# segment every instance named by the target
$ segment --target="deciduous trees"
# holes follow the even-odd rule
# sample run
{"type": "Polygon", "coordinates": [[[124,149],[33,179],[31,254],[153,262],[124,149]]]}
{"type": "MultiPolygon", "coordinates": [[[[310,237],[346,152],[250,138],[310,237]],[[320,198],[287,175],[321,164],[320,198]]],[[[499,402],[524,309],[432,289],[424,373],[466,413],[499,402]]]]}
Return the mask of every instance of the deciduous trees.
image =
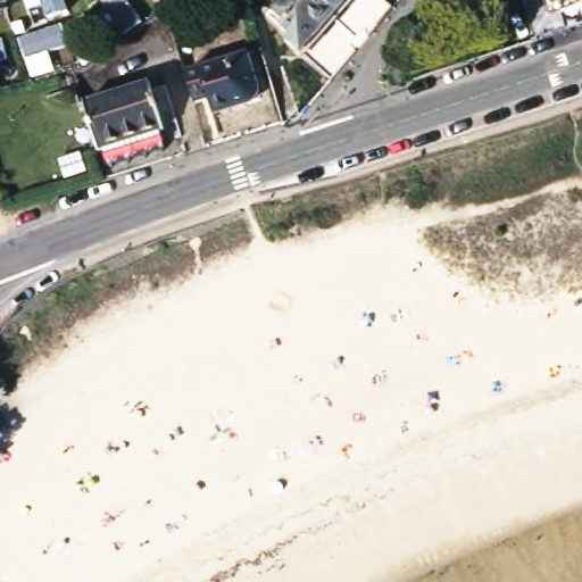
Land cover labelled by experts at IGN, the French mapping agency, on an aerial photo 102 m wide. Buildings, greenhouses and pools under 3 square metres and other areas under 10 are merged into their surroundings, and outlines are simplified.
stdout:
{"type": "Polygon", "coordinates": [[[171,0],[171,5],[166,7],[166,23],[175,27],[177,48],[198,48],[207,41],[214,41],[223,32],[234,30],[239,20],[243,20],[255,20],[255,16],[259,16],[261,11],[255,9],[252,0],[171,0]]]}
{"type": "Polygon", "coordinates": [[[502,0],[411,0],[411,14],[393,23],[386,34],[386,41],[382,45],[384,64],[398,68],[400,73],[414,73],[418,64],[425,66],[427,73],[514,43],[514,16],[505,11],[502,0]]]}
{"type": "Polygon", "coordinates": [[[84,16],[68,16],[64,16],[61,25],[64,45],[70,50],[75,59],[89,59],[95,64],[111,59],[118,48],[107,43],[111,30],[91,9],[84,11],[84,16]]]}

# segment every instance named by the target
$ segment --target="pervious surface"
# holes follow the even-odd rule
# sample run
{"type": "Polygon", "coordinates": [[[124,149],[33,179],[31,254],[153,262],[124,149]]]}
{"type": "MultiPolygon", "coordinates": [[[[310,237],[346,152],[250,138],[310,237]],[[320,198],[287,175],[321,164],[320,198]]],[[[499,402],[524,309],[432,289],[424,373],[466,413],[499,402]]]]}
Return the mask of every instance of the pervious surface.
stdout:
{"type": "Polygon", "coordinates": [[[193,59],[202,59],[207,52],[221,45],[243,41],[243,20],[239,20],[234,30],[223,32],[214,41],[207,41],[198,48],[177,48],[175,27],[166,23],[166,7],[171,5],[171,0],[152,0],[150,7],[152,14],[141,16],[141,25],[148,25],[148,36],[143,36],[136,43],[118,48],[111,59],[95,64],[89,59],[75,59],[70,50],[64,45],[61,50],[50,52],[52,73],[80,73],[77,82],[70,84],[70,93],[80,98],[91,93],[91,89],[111,89],[118,84],[130,84],[134,80],[150,80],[152,89],[189,82],[186,73],[193,59]]]}
{"type": "Polygon", "coordinates": [[[109,302],[111,298],[136,291],[141,282],[148,282],[157,291],[159,286],[168,286],[175,277],[202,275],[211,257],[232,255],[234,250],[246,248],[252,241],[248,223],[243,221],[243,209],[239,209],[236,214],[196,223],[155,241],[127,246],[123,252],[116,252],[98,261],[95,266],[86,266],[86,261],[80,261],[75,271],[61,271],[57,273],[57,280],[45,282],[43,291],[52,291],[70,273],[93,273],[95,286],[91,300],[77,305],[73,311],[64,311],[59,307],[50,314],[48,323],[52,330],[52,341],[48,336],[36,336],[27,327],[34,321],[34,314],[43,309],[43,291],[34,291],[32,286],[27,286],[23,291],[27,296],[27,302],[16,302],[16,309],[9,316],[0,316],[0,330],[7,325],[9,330],[27,339],[30,352],[20,359],[20,371],[39,359],[48,359],[52,355],[52,348],[64,341],[66,332],[77,321],[91,318],[98,307],[109,302]]]}

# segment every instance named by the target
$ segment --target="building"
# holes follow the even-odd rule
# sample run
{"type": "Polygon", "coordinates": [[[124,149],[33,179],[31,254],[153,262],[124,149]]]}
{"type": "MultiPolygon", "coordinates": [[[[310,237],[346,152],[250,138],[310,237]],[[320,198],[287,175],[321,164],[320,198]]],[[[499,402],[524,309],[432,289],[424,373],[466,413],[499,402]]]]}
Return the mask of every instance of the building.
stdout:
{"type": "Polygon", "coordinates": [[[102,152],[105,161],[109,161],[161,143],[164,120],[159,105],[152,95],[152,89],[150,80],[134,80],[130,84],[118,84],[111,89],[91,89],[91,93],[80,98],[89,116],[93,127],[93,136],[89,143],[98,152],[102,152]]]}
{"type": "Polygon", "coordinates": [[[64,16],[68,16],[64,0],[25,0],[27,14],[36,14],[36,9],[43,11],[41,20],[32,25],[43,27],[43,23],[64,16]]]}
{"type": "Polygon", "coordinates": [[[266,73],[259,45],[255,41],[243,41],[221,45],[207,52],[202,59],[193,59],[186,73],[189,82],[189,100],[207,98],[211,109],[241,105],[255,98],[257,93],[266,91],[266,73]]]}
{"type": "Polygon", "coordinates": [[[136,7],[130,2],[127,7],[91,9],[111,30],[107,43],[118,48],[136,43],[143,36],[148,36],[148,25],[141,25],[141,16],[152,14],[150,7],[136,11],[136,7]]]}
{"type": "Polygon", "coordinates": [[[332,27],[339,23],[339,18],[348,14],[355,0],[252,0],[255,9],[261,11],[268,25],[277,32],[277,41],[293,52],[298,45],[316,45],[323,36],[327,36],[332,27]]]}
{"type": "Polygon", "coordinates": [[[84,171],[82,155],[75,152],[59,157],[61,175],[70,177],[84,171]]]}
{"type": "Polygon", "coordinates": [[[36,77],[52,73],[50,52],[61,50],[64,45],[61,25],[43,32],[18,32],[16,43],[20,57],[30,75],[36,77]]]}

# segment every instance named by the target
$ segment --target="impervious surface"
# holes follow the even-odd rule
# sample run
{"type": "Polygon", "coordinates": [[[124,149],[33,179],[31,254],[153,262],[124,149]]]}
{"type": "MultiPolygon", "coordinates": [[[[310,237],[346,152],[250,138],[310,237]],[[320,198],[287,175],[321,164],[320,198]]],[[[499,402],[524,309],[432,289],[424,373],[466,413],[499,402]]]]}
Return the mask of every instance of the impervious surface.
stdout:
{"type": "Polygon", "coordinates": [[[34,291],[43,291],[45,282],[57,280],[57,273],[61,271],[75,271],[80,261],[86,261],[86,266],[95,266],[98,261],[116,252],[123,252],[127,246],[155,241],[196,223],[236,214],[239,209],[243,209],[243,221],[248,223],[252,241],[261,241],[264,236],[252,211],[255,202],[289,200],[296,193],[323,189],[343,180],[368,175],[377,168],[409,161],[421,152],[439,152],[452,146],[464,146],[552,116],[568,114],[573,118],[582,118],[582,0],[502,0],[505,11],[514,16],[514,43],[427,73],[421,75],[421,80],[416,82],[407,82],[405,86],[391,86],[382,80],[384,64],[382,45],[386,41],[386,34],[393,23],[411,14],[411,0],[355,0],[348,14],[339,18],[339,23],[332,27],[327,36],[323,36],[316,45],[298,45],[293,52],[277,41],[277,32],[268,25],[261,11],[259,16],[255,16],[255,20],[243,20],[243,41],[255,41],[259,45],[266,73],[266,91],[257,93],[255,98],[241,105],[211,109],[207,98],[189,100],[189,82],[152,89],[152,95],[159,105],[164,120],[161,143],[109,161],[105,161],[102,152],[98,152],[95,161],[105,182],[98,186],[89,186],[89,191],[80,189],[68,193],[66,200],[59,200],[55,211],[41,214],[41,207],[18,207],[14,211],[5,211],[0,207],[0,316],[9,316],[16,309],[16,302],[27,302],[27,296],[23,291],[27,286],[32,286],[34,291]],[[289,70],[298,59],[321,75],[321,89],[302,109],[298,109],[298,100],[289,77],[289,70]]]}
{"type": "Polygon", "coordinates": [[[77,139],[80,143],[89,143],[93,136],[93,127],[89,116],[82,118],[80,130],[68,130],[68,136],[77,139]]]}

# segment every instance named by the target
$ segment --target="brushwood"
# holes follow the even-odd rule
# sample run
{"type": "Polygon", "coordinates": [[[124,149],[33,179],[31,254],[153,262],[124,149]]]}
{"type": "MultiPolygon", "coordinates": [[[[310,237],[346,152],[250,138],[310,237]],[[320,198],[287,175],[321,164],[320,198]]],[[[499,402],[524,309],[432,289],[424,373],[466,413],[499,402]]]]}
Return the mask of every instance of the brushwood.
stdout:
{"type": "Polygon", "coordinates": [[[421,80],[421,75],[427,73],[425,66],[418,64],[414,73],[400,73],[398,68],[384,64],[382,80],[391,86],[405,86],[407,82],[416,82],[421,80]]]}
{"type": "Polygon", "coordinates": [[[80,73],[52,73],[36,77],[30,75],[20,57],[18,61],[14,61],[14,73],[7,75],[7,84],[0,86],[0,98],[16,95],[18,89],[23,93],[70,93],[70,84],[77,82],[80,73]]]}
{"type": "Polygon", "coordinates": [[[302,109],[321,89],[321,75],[298,59],[289,70],[289,77],[298,100],[298,109],[302,109]]]}
{"type": "Polygon", "coordinates": [[[5,211],[14,211],[18,207],[41,207],[41,214],[55,211],[59,200],[66,200],[68,193],[80,189],[89,191],[89,186],[98,186],[105,182],[95,161],[98,152],[89,143],[80,143],[75,152],[82,155],[84,171],[70,177],[61,175],[55,177],[55,182],[48,186],[23,191],[16,196],[0,196],[0,207],[5,211]]]}

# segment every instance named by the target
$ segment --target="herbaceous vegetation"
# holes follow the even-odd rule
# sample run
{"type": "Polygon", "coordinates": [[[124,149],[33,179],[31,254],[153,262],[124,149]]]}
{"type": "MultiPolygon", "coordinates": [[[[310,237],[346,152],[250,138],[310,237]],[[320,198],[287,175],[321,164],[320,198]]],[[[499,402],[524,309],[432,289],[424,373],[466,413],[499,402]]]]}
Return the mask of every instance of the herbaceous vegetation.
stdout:
{"type": "Polygon", "coordinates": [[[0,432],[14,434],[23,425],[23,416],[18,409],[0,405],[0,432]]]}
{"type": "Polygon", "coordinates": [[[55,177],[61,175],[59,157],[75,152],[80,143],[77,139],[68,136],[68,130],[80,130],[82,118],[89,116],[80,98],[70,93],[23,93],[18,89],[16,95],[0,98],[0,196],[16,196],[23,191],[48,186],[55,182],[55,177]]]}
{"type": "Polygon", "coordinates": [[[36,14],[27,14],[25,0],[0,0],[0,86],[7,84],[7,75],[14,73],[14,61],[18,61],[20,57],[16,43],[18,32],[43,32],[61,25],[64,16],[43,23],[43,27],[32,25],[41,20],[43,11],[36,9],[36,14]]]}
{"type": "Polygon", "coordinates": [[[43,291],[43,309],[34,314],[34,321],[27,327],[36,336],[48,336],[52,341],[52,330],[48,323],[50,314],[59,307],[64,311],[73,311],[77,305],[91,300],[95,286],[93,273],[70,273],[52,291],[43,291]]]}
{"type": "Polygon", "coordinates": [[[27,339],[9,330],[7,325],[0,330],[0,389],[11,393],[18,384],[20,371],[20,359],[30,352],[27,339]]]}
{"type": "Polygon", "coordinates": [[[400,198],[411,209],[421,209],[430,202],[439,202],[441,207],[487,205],[541,189],[566,177],[582,175],[582,118],[573,118],[568,114],[552,116],[464,146],[452,146],[439,152],[421,152],[409,161],[377,168],[368,175],[343,180],[323,189],[296,193],[289,200],[255,202],[252,211],[264,236],[268,241],[300,239],[311,227],[330,230],[343,221],[350,221],[352,214],[364,211],[373,202],[389,205],[389,200],[393,198],[400,198]]]}
{"type": "Polygon", "coordinates": [[[150,7],[152,0],[64,0],[68,16],[84,16],[84,11],[91,9],[127,7],[130,2],[136,7],[136,11],[150,7]]]}

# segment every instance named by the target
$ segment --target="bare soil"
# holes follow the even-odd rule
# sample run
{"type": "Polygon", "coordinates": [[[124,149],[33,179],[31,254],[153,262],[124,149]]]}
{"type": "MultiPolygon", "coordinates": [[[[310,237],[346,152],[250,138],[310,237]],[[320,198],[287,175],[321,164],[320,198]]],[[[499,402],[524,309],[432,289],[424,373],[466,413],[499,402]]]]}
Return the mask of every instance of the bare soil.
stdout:
{"type": "Polygon", "coordinates": [[[64,341],[52,348],[52,355],[48,359],[39,359],[20,371],[18,384],[11,393],[0,389],[0,405],[18,409],[23,416],[23,425],[14,434],[0,432],[0,582],[582,582],[582,175],[566,177],[541,189],[487,205],[441,207],[439,202],[430,202],[421,209],[411,209],[400,198],[393,198],[389,200],[389,205],[373,202],[364,211],[352,214],[350,221],[343,221],[330,230],[311,227],[300,239],[268,241],[264,236],[261,241],[252,241],[246,248],[234,250],[232,255],[211,257],[202,275],[175,277],[168,286],[159,286],[157,291],[148,282],[141,282],[136,291],[111,298],[109,302],[98,307],[91,318],[77,321],[66,332],[64,341]]]}

